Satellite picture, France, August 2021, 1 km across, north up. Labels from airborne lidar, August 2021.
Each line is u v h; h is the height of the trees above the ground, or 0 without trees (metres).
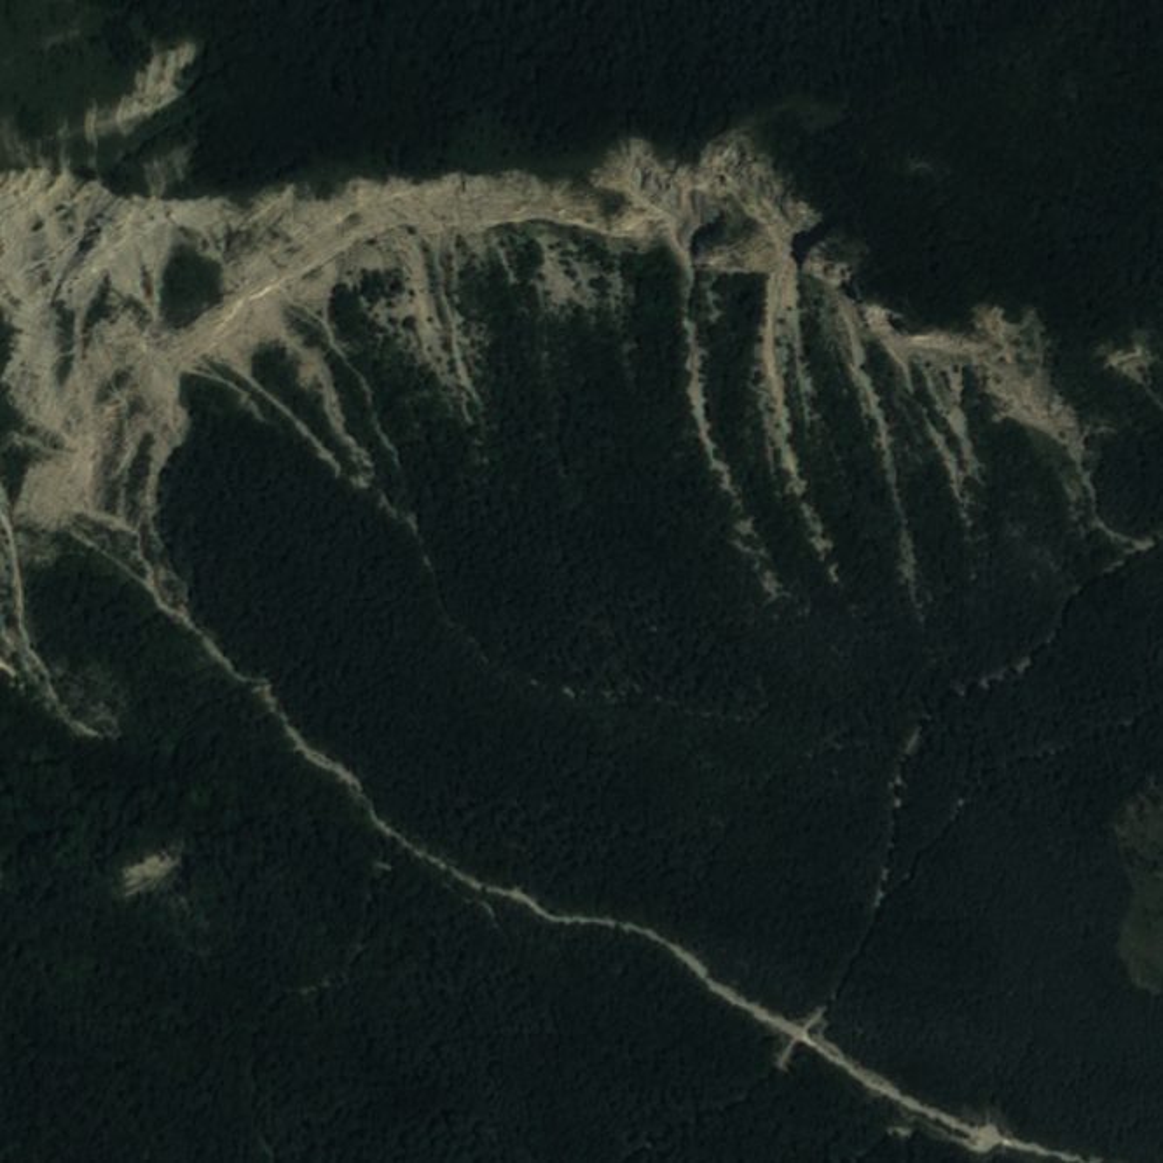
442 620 10
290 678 9
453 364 6
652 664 20
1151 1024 13
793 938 16
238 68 22
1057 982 15
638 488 19
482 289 6
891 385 6
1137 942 0
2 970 23
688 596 17
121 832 24
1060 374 9
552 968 10
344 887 15
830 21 17
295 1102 25
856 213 15
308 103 19
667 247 9
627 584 17
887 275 16
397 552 16
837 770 14
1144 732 18
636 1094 15
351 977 11
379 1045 25
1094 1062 15
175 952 20
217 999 25
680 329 12
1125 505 17
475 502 21
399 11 20
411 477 14
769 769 15
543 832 18
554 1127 14
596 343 12
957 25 17
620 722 11
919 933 16
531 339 9
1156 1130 12
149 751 24
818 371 15
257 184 7
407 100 22
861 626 9
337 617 22
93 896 16
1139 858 9
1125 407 10
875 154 13
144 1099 25
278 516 19
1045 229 20
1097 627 14
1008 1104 12
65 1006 21
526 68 19
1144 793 15
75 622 16
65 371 0
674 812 14
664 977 21
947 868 14
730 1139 20
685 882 13
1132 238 20
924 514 12
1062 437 6
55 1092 24
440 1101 30
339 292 6
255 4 25
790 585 10
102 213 0
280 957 23
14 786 27
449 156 10
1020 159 13
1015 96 13
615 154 0
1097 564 13
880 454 10
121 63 10
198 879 19
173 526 10
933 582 12
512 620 14
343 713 17
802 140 15
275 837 31
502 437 12
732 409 13
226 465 19
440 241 0
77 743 9
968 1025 12
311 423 8
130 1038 24
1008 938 13
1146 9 26
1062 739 14
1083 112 13
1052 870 16
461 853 12
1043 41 15
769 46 18
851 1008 10
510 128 8
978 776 18
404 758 17
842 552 11
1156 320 14
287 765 18
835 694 9
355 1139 11
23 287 0
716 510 12
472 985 22
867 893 11
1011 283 15
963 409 9
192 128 9
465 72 21
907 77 14
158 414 0
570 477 14
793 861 12
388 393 13
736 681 14
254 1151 17
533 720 11
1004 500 9
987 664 15
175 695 20
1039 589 9
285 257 0
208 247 0
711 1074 13
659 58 19
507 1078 28
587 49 21
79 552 6
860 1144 12
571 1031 19
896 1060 11
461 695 14
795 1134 13
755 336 9
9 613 9
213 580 11
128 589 13
